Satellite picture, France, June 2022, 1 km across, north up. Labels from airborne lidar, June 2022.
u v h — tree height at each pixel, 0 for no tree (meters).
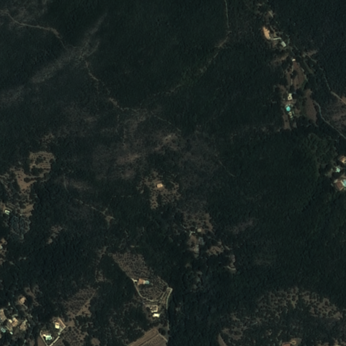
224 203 11
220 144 9
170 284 18
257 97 6
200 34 7
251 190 9
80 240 10
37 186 14
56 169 13
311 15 12
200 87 7
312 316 9
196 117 14
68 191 7
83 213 6
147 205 8
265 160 7
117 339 7
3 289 8
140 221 12
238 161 11
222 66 6
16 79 7
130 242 12
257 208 7
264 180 10
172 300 8
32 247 15
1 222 15
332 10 12
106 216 9
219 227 9
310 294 6
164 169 11
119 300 8
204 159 8
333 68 13
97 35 6
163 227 11
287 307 8
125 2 7
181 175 7
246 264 15
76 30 8
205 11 10
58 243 11
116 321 8
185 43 13
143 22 7
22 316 11
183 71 7
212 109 7
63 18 10
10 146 13
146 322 12
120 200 11
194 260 8
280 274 9
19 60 6
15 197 14
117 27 9
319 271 10
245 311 9
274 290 8
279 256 8
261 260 7
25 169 9
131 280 15
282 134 9
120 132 6
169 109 7
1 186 11
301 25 9
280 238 8
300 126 12
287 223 12
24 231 13
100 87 6
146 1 9
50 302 15
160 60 11
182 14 13
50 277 13
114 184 7
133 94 6
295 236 10
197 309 10
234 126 11
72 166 10
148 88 6
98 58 7
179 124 9
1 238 19
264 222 8
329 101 8
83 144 8
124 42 7
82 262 10
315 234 12
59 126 9
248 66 8
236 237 13
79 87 7
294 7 7
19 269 9
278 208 7
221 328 11
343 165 13
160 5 7
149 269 8
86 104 7
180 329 17
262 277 10
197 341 12
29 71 8
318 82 12
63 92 6
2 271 13
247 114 8
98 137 9
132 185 11
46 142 7
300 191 11
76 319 7
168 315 6
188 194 7
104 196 9
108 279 8
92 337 13
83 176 9
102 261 11
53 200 13
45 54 15
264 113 6
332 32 10
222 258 17
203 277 14
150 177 6
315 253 11
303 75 5
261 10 13
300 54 14
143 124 5
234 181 9
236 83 7
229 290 12
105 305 9
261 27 12
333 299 11
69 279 10
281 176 9
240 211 8
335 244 13
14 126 7
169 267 10
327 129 12
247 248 13
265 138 11
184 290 9
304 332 10
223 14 10
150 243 7
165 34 9
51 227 6
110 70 10
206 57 7
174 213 8
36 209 12
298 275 10
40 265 14
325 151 8
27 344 12
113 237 8
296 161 14
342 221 7
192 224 9
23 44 9
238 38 9
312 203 16
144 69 7
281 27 11
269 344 12
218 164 6
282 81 17
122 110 5
